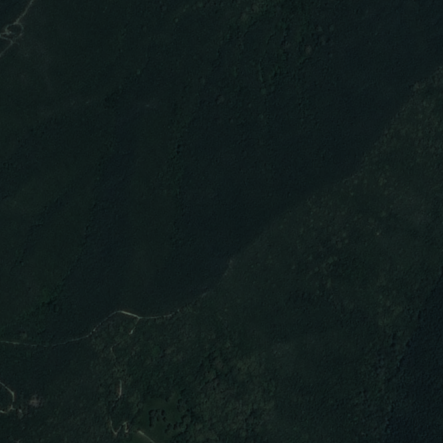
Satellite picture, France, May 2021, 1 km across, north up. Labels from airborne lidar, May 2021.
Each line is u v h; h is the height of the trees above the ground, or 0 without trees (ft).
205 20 21
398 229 39
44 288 28
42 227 27
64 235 23
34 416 21
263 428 35
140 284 21
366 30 23
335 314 30
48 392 20
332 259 48
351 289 27
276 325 35
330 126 23
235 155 20
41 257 20
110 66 24
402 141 29
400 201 18
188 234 30
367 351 40
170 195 31
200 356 50
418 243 17
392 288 37
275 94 28
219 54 30
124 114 18
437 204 28
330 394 54
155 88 22
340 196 27
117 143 23
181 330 44
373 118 18
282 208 18
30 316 23
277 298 23
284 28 19
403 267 41
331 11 26
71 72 22
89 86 25
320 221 24
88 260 27
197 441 22
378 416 49
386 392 39
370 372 44
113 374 37
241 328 26
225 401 35
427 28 24
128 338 36
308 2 26
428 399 36
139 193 22
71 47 20
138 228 19
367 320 67
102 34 24
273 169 22
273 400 35
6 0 19
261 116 42
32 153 27
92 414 30
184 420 44
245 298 20
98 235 28
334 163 26
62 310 37
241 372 48
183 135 25
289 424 24
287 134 28
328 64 25
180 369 31
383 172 25
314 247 30
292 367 21
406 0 22
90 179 19
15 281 18
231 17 21
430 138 38
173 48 25
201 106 31
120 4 21
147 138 23
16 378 22
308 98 28
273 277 26
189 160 20
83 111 24
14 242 19
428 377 32
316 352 31
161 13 24
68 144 19
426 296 84
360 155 20
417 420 38
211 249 19
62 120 25
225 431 45
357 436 64
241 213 24
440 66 22
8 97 22
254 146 32
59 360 21
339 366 45
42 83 18
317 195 17
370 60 20
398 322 34
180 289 24
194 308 20
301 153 25
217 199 19
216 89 22
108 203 25
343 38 21
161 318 31
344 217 23
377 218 35
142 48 24
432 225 37
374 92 20
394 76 23
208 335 21
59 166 21
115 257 24
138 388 33
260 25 24
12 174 27
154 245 22
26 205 18
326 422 32
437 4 20
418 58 20
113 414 28
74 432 37
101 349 29
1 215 26
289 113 31
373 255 29
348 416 41
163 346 20
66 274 31
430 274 41
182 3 23
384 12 23
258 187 21
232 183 22
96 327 20
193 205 26
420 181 28
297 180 30
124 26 22
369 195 23
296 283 19
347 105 21
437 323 42
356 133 19
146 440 0
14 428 23
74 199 19
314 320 25
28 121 19
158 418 54
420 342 62
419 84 33
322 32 22
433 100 48
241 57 32
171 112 25
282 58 25
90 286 21
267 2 18
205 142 21
